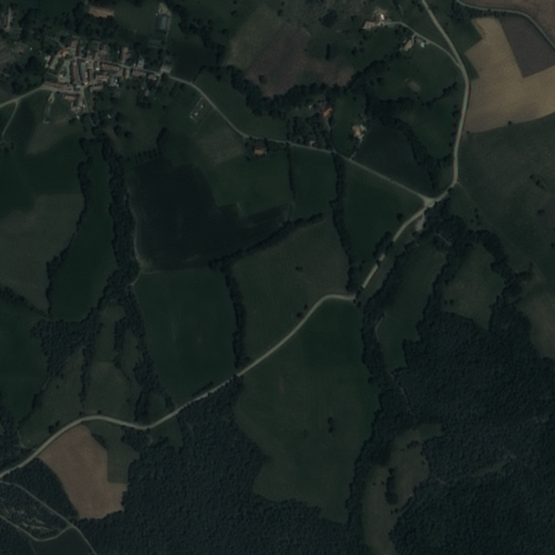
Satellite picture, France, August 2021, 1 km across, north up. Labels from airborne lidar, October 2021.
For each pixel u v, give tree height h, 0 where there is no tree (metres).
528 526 12
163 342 0
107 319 0
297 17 0
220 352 0
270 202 0
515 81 0
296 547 12
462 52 0
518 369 17
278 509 7
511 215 0
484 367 21
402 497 0
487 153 0
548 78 0
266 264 0
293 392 0
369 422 0
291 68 0
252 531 12
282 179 0
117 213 18
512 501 9
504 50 0
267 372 0
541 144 0
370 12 0
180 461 12
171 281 0
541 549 7
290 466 0
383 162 0
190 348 0
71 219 0
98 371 0
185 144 0
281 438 0
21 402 0
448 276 16
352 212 0
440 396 16
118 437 0
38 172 0
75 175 0
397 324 0
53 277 16
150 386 12
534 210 0
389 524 0
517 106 0
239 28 0
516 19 0
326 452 0
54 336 6
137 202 0
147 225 0
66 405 0
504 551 14
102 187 0
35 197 0
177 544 11
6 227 0
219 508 12
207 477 6
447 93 13
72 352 9
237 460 11
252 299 0
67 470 0
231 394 10
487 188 0
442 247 10
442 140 0
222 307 0
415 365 13
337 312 0
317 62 0
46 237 0
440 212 11
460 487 7
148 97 11
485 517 14
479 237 19
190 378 0
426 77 0
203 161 0
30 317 0
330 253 0
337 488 0
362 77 22
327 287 0
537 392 17
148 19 0
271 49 0
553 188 0
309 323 0
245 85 21
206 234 0
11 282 0
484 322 0
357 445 0
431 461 11
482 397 11
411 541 16
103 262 0
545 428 13
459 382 17
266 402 0
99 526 10
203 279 0
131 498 8
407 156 0
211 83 0
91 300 0
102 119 11
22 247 0
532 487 12
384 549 0
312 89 14
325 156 0
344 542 10
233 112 0
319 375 0
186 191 0
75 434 0
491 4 0
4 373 0
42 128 0
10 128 0
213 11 0
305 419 0
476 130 0
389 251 16
